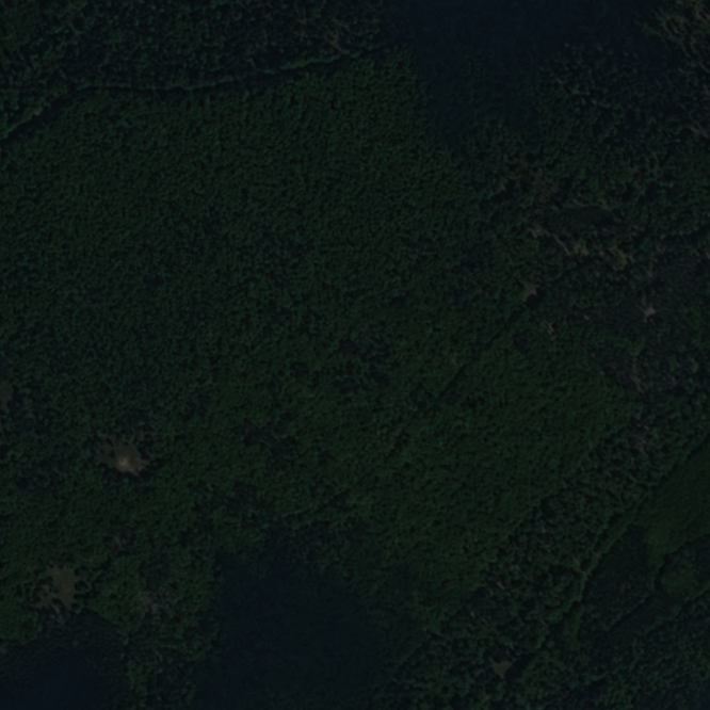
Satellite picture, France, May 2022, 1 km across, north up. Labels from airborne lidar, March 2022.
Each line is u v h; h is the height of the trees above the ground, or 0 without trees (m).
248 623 19
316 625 22
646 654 22
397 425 22
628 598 11
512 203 22
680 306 25
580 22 27
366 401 21
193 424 19
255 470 23
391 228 19
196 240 21
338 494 19
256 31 27
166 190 20
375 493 23
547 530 32
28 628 25
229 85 26
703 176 23
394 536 26
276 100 23
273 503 21
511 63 27
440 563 26
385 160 20
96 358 22
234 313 20
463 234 22
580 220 8
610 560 11
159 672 25
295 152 21
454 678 28
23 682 18
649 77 29
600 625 16
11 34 8
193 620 24
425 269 20
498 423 23
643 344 33
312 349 19
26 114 22
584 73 32
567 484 34
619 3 31
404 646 24
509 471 23
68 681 20
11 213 21
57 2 7
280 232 21
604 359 31
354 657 23
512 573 30
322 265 20
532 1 28
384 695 23
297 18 27
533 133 23
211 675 23
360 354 25
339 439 18
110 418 20
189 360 19
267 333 19
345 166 21
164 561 26
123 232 22
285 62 25
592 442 24
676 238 17
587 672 27
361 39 25
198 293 20
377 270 20
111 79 28
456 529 27
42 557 19
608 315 30
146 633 31
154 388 21
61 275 20
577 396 27
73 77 25
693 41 28
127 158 21
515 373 25
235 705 24
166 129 21
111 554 14
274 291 19
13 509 17
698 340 23
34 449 17
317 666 23
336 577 23
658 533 19
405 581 21
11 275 21
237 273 22
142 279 22
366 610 24
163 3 34
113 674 19
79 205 21
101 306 20
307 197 23
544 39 27
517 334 27
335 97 23
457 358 22
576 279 28
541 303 22
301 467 18
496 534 28
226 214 22
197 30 25
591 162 20
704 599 23
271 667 21
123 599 19
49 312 21
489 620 30
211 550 23
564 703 23
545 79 27
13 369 21
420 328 23
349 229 20
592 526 29
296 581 29
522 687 25
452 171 22
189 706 25
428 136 21
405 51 28
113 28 25
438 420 23
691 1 27
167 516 20
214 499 22
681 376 24
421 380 23
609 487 30
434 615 23
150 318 19
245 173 21
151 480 21
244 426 21
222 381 20
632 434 27
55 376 18
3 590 17
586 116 25
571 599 14
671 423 29
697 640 24
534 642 28
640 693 26
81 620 21
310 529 27
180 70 21
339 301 20
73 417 19
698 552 20
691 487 19
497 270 24
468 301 23
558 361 26
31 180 21
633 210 23
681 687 28
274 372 20
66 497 20
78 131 21
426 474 28
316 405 22
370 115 22
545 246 28
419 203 20
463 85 24
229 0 27
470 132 21
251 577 20
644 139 22
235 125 23
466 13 17
